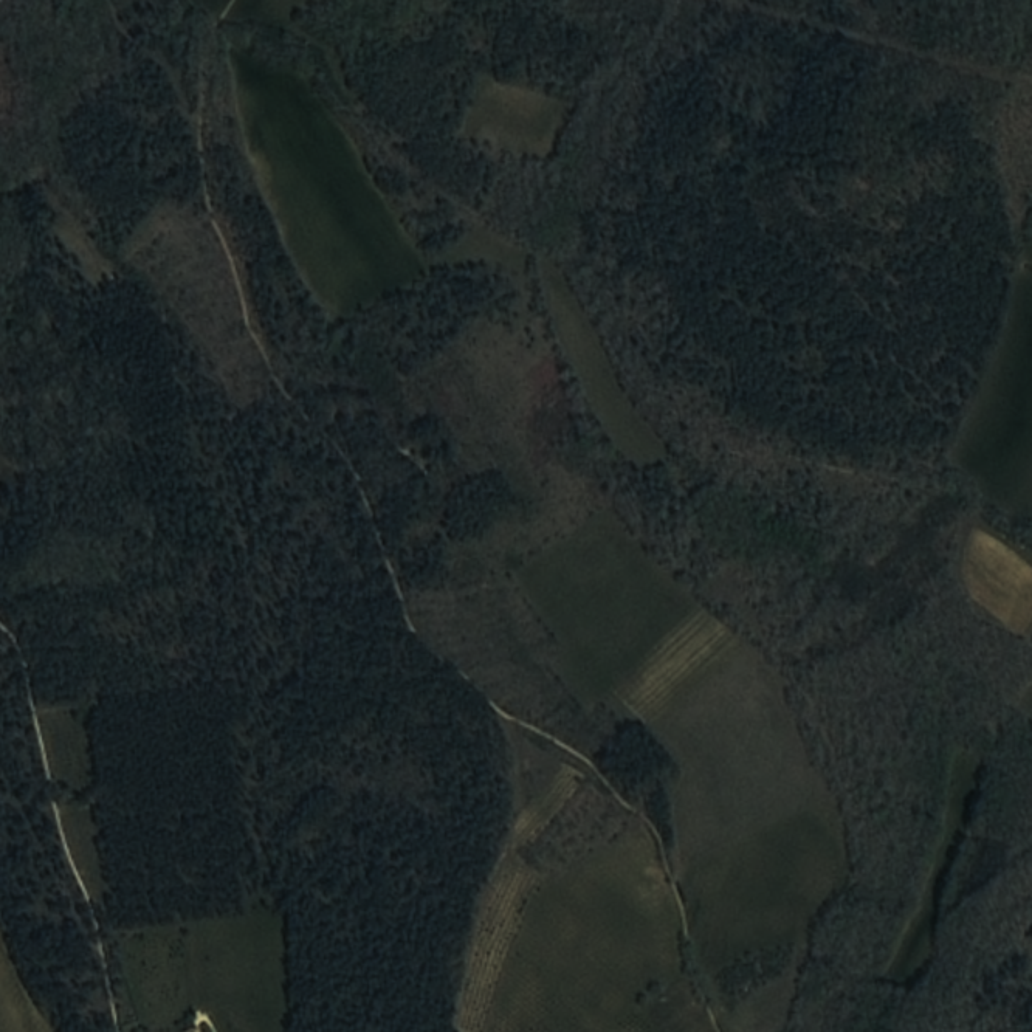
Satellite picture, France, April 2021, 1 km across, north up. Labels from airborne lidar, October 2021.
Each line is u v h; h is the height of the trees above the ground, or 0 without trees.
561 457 8
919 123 8
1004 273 18
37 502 21
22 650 12
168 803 21
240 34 16
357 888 10
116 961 14
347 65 14
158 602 17
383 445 15
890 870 15
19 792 7
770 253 14
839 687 12
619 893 0
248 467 20
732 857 0
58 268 18
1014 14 15
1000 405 0
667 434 11
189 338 13
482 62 9
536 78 10
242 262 10
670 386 8
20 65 11
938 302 14
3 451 24
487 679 0
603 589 0
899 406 16
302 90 0
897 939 18
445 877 9
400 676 12
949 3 18
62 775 0
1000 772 17
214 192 8
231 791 17
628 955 0
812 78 14
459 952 7
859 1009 18
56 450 25
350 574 14
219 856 17
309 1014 14
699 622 0
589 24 13
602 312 14
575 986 0
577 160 16
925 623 18
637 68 10
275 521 10
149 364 24
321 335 15
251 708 19
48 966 18
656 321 9
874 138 11
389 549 14
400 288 0
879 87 10
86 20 17
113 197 14
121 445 15
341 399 17
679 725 0
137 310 19
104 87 6
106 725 16
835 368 14
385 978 12
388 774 13
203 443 15
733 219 15
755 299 15
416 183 10
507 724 8
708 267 14
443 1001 7
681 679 0
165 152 8
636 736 15
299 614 11
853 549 12
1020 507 0
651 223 12
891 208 9
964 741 17
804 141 15
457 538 10
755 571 10
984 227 16
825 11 9
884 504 10
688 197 13
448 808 15
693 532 15
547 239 19
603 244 9
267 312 10
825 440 14
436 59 14
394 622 13
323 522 14
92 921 7
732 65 14
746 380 12
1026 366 0
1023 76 11
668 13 13
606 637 0
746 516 16
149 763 21
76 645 16
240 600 18
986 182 10
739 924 0
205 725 21
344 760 9
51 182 15
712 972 0
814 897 0
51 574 23
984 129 10
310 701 14
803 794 0
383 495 11
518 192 15
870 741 13
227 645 18
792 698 14
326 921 15
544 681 0
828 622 18
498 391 0
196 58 12
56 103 14
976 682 14
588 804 6
